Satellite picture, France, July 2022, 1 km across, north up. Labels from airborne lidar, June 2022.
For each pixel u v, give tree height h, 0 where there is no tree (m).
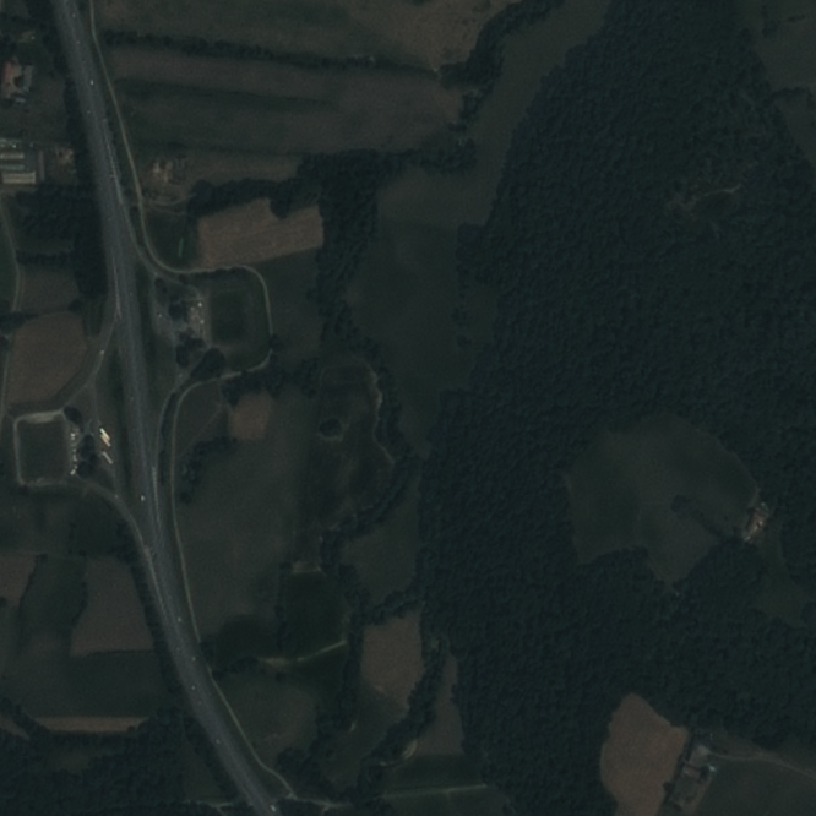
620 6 21
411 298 0
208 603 0
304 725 0
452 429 26
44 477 0
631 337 28
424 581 18
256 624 0
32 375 0
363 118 0
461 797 0
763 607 0
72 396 0
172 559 0
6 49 15
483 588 26
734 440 21
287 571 12
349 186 12
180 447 0
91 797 26
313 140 0
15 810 30
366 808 11
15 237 0
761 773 0
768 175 30
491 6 0
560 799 21
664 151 25
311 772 18
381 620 16
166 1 0
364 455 0
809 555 18
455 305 0
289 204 13
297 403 0
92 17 0
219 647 0
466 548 22
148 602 11
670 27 19
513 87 0
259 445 0
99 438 0
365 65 11
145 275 0
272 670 0
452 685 0
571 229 27
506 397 21
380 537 0
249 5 0
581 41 0
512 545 26
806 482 27
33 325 0
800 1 0
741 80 27
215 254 0
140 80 0
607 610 19
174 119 0
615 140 22
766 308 6
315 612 0
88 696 0
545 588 21
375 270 0
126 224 0
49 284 0
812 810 0
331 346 0
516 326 24
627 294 25
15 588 0
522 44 0
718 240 24
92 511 0
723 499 0
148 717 0
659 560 0
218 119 0
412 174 0
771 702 29
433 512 25
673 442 0
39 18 17
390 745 16
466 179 0
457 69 10
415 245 0
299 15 0
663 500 0
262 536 0
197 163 0
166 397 0
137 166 0
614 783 0
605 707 14
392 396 14
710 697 26
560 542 19
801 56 0
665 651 20
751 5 0
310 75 0
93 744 10
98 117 0
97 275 19
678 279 27
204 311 0
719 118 23
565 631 25
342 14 0
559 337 31
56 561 0
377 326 0
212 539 0
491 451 21
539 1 16
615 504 0
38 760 26
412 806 0
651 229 25
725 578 24
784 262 23
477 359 0
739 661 30
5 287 0
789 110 0
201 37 0
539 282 24
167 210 0
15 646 0
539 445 26
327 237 15
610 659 22
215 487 0
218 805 0
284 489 0
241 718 0
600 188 22
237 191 22
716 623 30
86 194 12
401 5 0
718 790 0
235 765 0
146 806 18
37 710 0
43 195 18
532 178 12
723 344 36
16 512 0
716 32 26
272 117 0
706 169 24
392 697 0
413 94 0
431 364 0
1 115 0
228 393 14
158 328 0
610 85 20
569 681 18
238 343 0
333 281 22
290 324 0
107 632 0
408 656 0
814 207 25
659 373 22
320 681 0
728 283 21
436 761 0
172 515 0
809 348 27
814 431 10
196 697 0
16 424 0
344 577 18
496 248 14
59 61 15
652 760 0
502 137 0
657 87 16
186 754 0
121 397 0
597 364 31
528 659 21
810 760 0
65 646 0
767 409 22
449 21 0
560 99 18
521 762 25
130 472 0
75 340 0
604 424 16
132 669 0
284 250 0
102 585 0
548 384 23
